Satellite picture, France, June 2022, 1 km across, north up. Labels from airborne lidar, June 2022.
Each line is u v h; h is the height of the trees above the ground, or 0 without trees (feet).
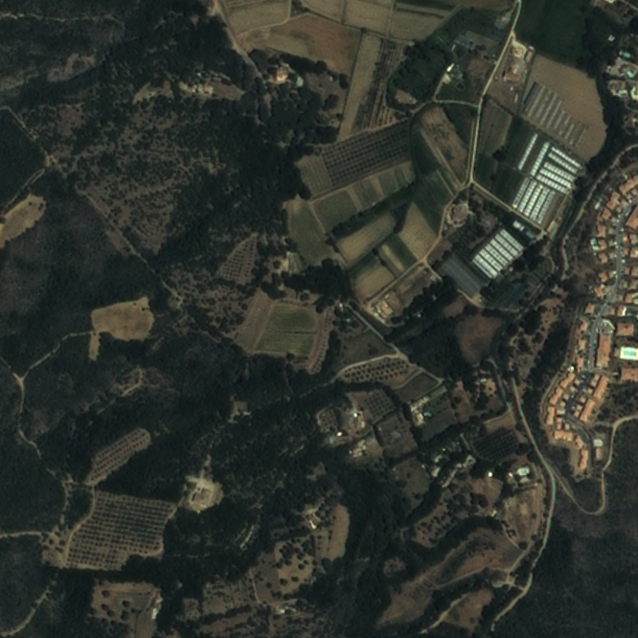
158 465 27
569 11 0
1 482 30
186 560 32
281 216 31
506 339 32
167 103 27
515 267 30
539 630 28
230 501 26
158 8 40
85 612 36
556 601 20
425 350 29
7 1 19
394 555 46
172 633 28
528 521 0
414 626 46
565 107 0
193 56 44
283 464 41
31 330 36
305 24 0
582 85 0
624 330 0
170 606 27
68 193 25
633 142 26
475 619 0
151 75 17
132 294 20
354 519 28
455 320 46
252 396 28
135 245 20
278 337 0
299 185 60
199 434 22
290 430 27
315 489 31
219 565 38
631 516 0
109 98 24
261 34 0
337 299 27
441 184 0
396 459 33
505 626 19
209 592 24
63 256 19
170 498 39
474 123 0
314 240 0
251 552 29
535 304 25
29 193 22
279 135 47
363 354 0
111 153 22
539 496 0
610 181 19
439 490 42
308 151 40
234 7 0
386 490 39
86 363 18
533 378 39
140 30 43
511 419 0
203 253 17
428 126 0
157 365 26
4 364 21
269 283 39
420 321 50
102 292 26
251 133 71
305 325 0
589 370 0
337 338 41
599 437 0
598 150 0
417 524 22
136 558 41
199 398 38
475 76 0
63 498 18
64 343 24
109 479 27
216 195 40
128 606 33
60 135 20
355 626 32
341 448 37
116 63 23
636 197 0
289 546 36
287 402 30
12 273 0
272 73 25
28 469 27
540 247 37
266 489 23
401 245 0
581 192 30
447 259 20
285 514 37
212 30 63
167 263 24
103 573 40
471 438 26
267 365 30
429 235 0
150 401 20
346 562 44
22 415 26
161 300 22
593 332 0
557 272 26
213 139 18
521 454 31
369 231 0
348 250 0
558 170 0
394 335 46
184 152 18
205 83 23
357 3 0
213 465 24
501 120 0
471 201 50
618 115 32
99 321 0
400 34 0
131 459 29
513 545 0
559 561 41
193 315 22
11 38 18
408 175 0
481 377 30
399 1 0
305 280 48
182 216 25
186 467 22
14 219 0
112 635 29
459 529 43
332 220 0
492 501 0
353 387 47
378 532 30
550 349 52
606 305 0
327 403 27
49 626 24
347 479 38
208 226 30
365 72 0
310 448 44
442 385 18
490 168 0
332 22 0
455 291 40
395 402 21
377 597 37
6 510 19
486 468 40
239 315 25
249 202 24
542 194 0
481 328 0
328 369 41
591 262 0
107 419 19
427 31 0
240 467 36
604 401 0
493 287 42
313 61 31
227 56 20
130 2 30
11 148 20
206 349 22
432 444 46
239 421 26
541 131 0
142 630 0
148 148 24
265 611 23
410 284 0
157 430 22
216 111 46
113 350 30
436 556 42
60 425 24
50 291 33
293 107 34
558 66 0
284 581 42
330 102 47
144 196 21
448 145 0
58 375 23
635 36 20
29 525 25
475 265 0
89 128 30
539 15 0
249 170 51
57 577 18
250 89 49
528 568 38
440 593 40
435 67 0
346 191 0
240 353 42
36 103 18
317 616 28
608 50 34
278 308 0
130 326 0
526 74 0
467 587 46
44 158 23
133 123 18
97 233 21
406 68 25
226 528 31
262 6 0
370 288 0
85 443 34
